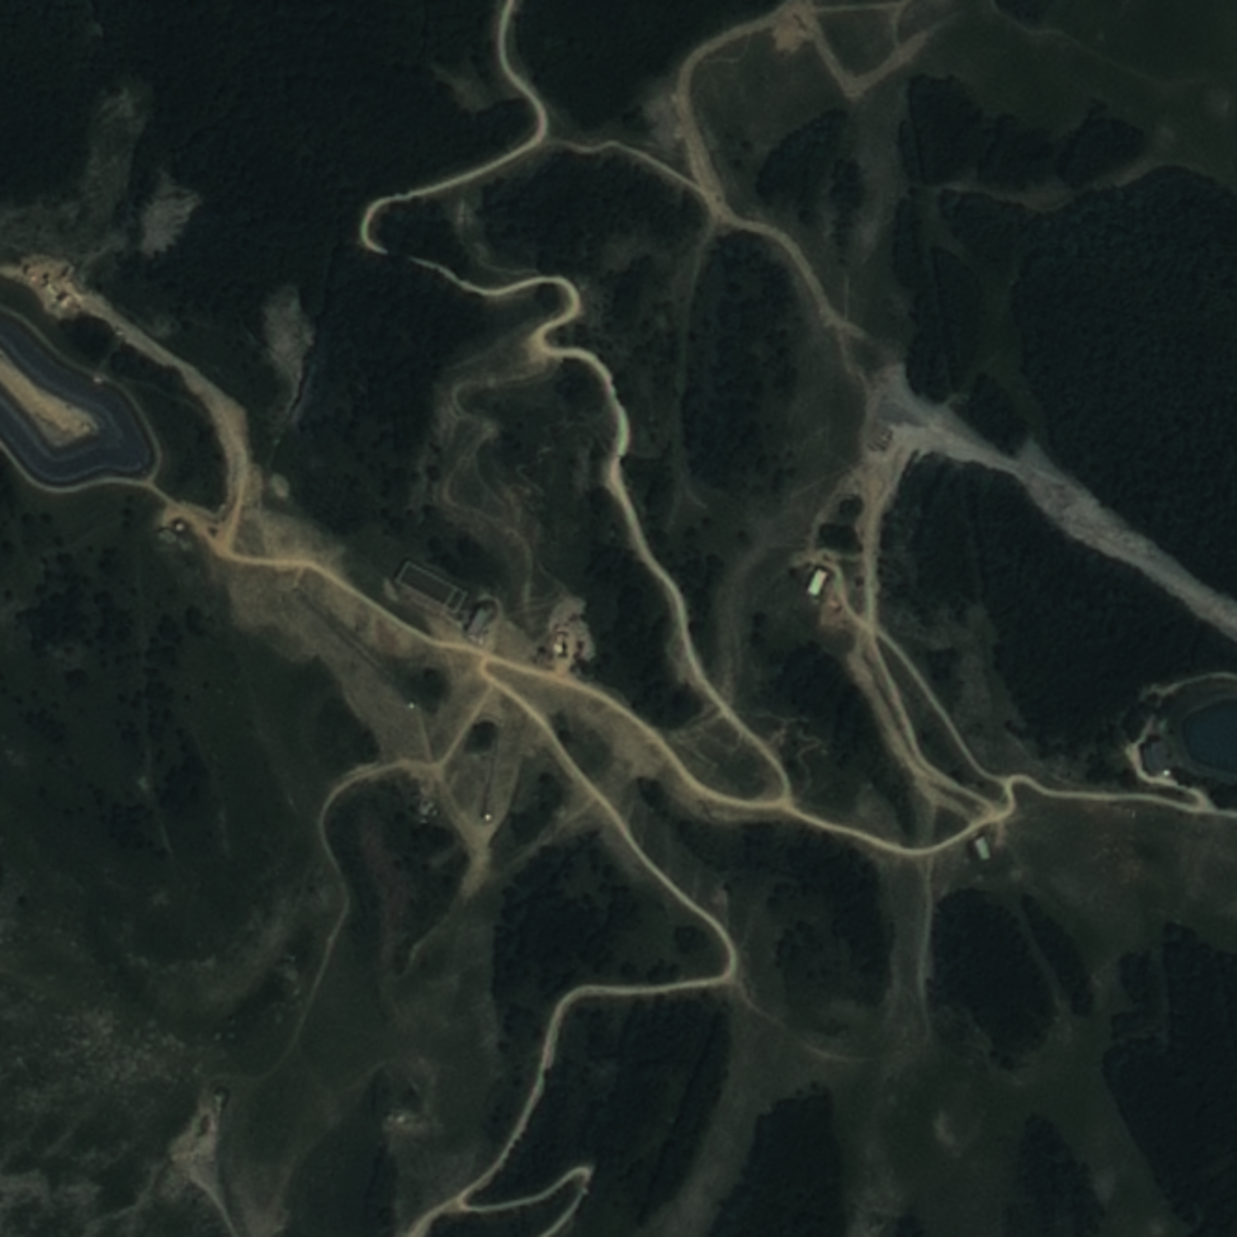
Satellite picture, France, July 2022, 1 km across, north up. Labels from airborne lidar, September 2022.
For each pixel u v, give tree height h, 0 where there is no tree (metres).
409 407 14
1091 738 12
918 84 11
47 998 0
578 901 8
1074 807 0
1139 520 10
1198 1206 9
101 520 0
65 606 12
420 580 0
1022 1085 0
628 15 14
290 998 0
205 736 0
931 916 0
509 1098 0
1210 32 0
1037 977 14
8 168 11
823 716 7
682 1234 0
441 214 13
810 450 0
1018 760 0
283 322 0
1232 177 0
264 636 0
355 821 0
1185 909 0
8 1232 0
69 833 0
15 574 0
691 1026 10
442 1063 0
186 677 0
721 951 0
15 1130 0
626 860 0
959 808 0
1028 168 11
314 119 13
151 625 0
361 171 19
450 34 10
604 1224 0
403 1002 0
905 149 8
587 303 0
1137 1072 18
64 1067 0
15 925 0
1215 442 20
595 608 0
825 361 0
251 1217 0
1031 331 7
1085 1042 0
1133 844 0
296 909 0
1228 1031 17
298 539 0
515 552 0
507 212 7
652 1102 7
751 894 0
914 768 0
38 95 13
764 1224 15
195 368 0
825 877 16
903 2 0
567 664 0
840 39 0
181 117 20
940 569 10
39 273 0
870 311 0
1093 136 13
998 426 13
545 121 0
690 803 0
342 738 0
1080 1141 0
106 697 0
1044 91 0
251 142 22
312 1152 0
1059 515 0
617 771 0
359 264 14
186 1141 0
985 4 0
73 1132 0
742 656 0
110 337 12
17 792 0
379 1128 0
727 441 11
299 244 17
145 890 0
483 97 0
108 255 0
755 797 0
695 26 11
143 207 13
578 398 6
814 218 11
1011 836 0
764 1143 13
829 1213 15
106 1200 0
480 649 0
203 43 16
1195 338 13
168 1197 0
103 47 13
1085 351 13
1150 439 16
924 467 7
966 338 10
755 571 0
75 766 10
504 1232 0
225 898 0
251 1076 0
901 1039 0
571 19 9
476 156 11
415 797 0
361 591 0
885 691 0
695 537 11
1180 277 18
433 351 8
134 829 9
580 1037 0
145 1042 0
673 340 10
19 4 15
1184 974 18
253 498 0
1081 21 0
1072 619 11
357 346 8
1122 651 17
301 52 13
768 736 0
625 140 0
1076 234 6
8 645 0
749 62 0
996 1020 13
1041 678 11
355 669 0
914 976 0
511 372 0
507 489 0
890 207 0
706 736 0
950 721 0
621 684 0
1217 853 0
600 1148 15
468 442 0
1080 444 13
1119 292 14
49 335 0
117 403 0
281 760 0
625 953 0
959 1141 0
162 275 11
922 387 12
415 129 16
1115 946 0
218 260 17
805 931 9
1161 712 11
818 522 0
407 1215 0
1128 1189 0
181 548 0
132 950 0
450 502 0
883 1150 0
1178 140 0
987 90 0
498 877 0
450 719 0
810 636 0
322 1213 0
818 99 0
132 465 0
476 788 0
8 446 0
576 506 0
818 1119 17
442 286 15
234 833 0
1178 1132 12
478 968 0
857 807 0
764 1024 0
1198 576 9
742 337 9
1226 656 21
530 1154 7
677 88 0
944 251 11
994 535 15
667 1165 15
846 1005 0
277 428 0
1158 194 14
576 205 13
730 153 0
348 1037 0
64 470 0
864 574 0
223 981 0
